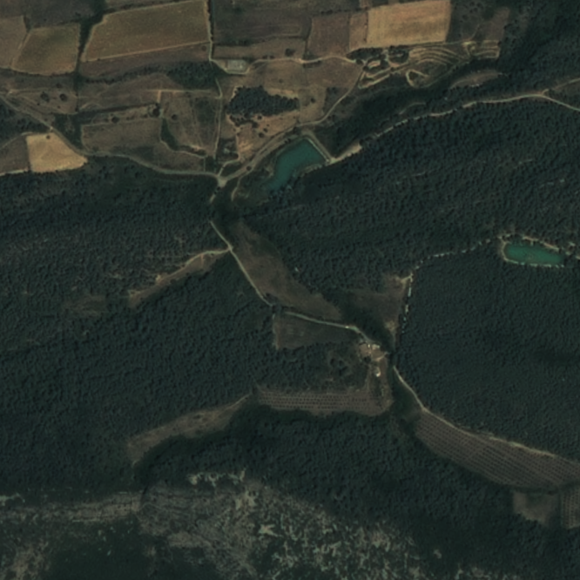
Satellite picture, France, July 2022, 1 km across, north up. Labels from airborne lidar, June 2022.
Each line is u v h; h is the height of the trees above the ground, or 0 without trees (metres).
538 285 12
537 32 9
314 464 16
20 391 14
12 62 0
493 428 13
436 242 7
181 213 10
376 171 16
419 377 14
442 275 9
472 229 13
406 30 0
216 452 16
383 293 13
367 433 10
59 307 9
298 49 0
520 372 12
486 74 0
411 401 0
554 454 9
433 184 16
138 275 15
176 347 16
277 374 13
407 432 8
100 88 0
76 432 9
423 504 14
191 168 0
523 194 17
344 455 12
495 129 17
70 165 0
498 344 14
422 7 0
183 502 0
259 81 0
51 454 10
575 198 13
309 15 0
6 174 7
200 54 0
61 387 11
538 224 7
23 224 12
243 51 0
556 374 10
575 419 9
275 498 0
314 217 12
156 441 0
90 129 0
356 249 12
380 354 0
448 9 0
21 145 0
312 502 8
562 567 8
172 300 17
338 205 12
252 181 11
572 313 13
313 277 13
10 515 0
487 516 7
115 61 0
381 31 0
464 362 12
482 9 8
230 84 0
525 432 10
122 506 0
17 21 0
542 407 11
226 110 9
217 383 15
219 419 0
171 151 0
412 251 14
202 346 14
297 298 0
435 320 11
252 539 0
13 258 9
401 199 20
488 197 13
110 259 16
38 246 9
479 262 13
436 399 10
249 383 17
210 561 0
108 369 14
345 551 0
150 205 12
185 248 14
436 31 0
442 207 12
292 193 15
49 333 11
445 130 16
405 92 7
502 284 14
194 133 0
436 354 12
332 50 0
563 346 13
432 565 7
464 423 13
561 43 11
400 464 18
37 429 8
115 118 8
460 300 8
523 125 13
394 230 9
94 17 8
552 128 15
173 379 14
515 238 13
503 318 12
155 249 16
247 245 0
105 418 7
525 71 19
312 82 0
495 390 12
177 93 0
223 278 11
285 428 18
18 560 0
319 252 17
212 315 14
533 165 16
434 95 10
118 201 12
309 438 19
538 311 12
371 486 13
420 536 6
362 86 0
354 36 0
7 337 13
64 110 0
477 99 10
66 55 0
